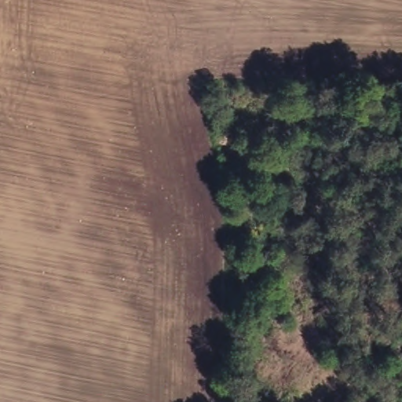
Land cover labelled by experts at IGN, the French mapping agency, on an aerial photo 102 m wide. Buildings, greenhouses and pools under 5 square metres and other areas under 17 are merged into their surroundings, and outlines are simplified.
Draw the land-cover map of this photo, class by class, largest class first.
<instances>
[{"label":"agricultural land","instance_id":"1","mask_svg":"<svg viewBox=\"0 0 402 402\"><path fill-rule=\"evenodd\" d=\"M339 72H347L352 77L356 74H366L369 79L375 77L380 85L383 86L402 82V0H0V402H218L220 394L212 389V374L226 361L231 360V345L234 344V334L237 333L229 330L221 319L223 312H228V295L236 294L242 283L239 278L240 272L237 269L225 270L223 250H220L215 242V231L225 225L223 215L210 198L212 195H218L221 190L217 185V174L223 170V162H218L214 148L210 146L209 130L204 126L199 111V104L207 93V85L221 75L232 74L236 79H243L245 88L253 93L254 97H258L264 94L262 91L265 83L275 75L284 74L291 82H295L303 85L306 80L328 79Z\"/></svg>","mask_w":402,"mask_h":402},{"label":"coniferous trees","instance_id":"2","mask_svg":"<svg viewBox=\"0 0 402 402\"><path fill-rule=\"evenodd\" d=\"M295 82H291L284 74L275 75L265 83L262 91L264 94L258 97H254L253 93L245 88L243 79H236L232 74L221 75L207 85V93L199 104V111L204 126L209 130L210 146L214 148L218 162H223V170L217 174V185L221 190L232 182L240 184L247 193L258 190L262 182V171L251 170L248 163L251 160H259L256 151L264 143V137L276 138L281 144L294 140L301 133H317L322 138L320 146H303L300 151L295 152L286 170L273 176V184L284 185L289 192V209L280 220L250 218L239 226L225 225L215 231V242L220 250H223L226 245H236L240 240H248L250 236L254 237V245L264 247L261 269L251 273L240 272L239 278L242 283L236 294L228 295V312H223L221 319L229 330L237 333L234 334V344L231 345V360L226 361L212 374V389L220 394L218 402H402V371L394 377H386L380 374L378 369L388 367V358H402V82L383 86L385 94L382 99V113L372 115L369 118V126L364 127L360 121L349 116L334 115L336 105L345 107L347 94L360 97L366 91L374 90L380 85L375 77L369 79L366 74H356L352 77L347 72H339L328 79L306 80L303 85L312 107V116L300 121H281L272 118L273 108L283 105L287 93L292 90ZM286 270L301 276L291 286L294 292V305L291 311L275 317L276 320L272 323V336L256 338L250 345L245 338V334L250 331V320L261 316L262 309L267 303L270 284L278 283Z\"/></svg>","mask_w":402,"mask_h":402},{"label":"deciduous trees","instance_id":"3","mask_svg":"<svg viewBox=\"0 0 402 402\"><path fill-rule=\"evenodd\" d=\"M312 116V107L303 85L295 82L292 90L287 93L283 105L273 108L272 118L281 121H300ZM385 94L383 86L380 85L374 90L366 91L360 97L347 94L345 107L336 105L334 115L349 116L360 121L364 127L369 126V118L372 115L382 113V99ZM322 138L317 133H301L294 140L281 144L276 138L264 137V143L256 151L259 160H251L248 163L251 170L262 171V182L258 190L247 193L240 184L232 182L221 190L218 195H212L210 198L223 215L225 225L239 226L250 218L280 220L289 209V192L284 185L273 184V176L286 170L295 152L300 151L303 146H320ZM264 247L254 245V237L250 236L248 240H240L236 245H226L223 250L225 270L237 269L240 272L251 273L261 269ZM301 276L286 270L278 283L270 284L267 303L262 309L261 316L250 320V331L245 334V338L250 345L256 338L272 336V323L276 320L275 317L291 311L294 305V292L291 286ZM380 374L386 377H394L402 371V358H388V367L378 369Z\"/></svg>","mask_w":402,"mask_h":402}]
</instances>
